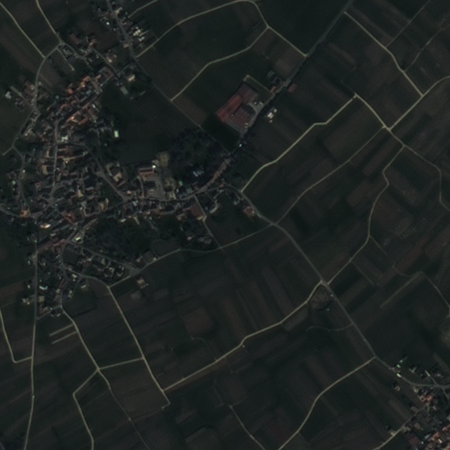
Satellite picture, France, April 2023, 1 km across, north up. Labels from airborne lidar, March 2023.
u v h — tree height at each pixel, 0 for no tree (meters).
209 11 0
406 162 0
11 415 0
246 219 0
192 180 10
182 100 0
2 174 0
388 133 0
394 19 0
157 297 0
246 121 0
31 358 0
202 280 0
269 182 0
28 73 0
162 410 0
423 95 0
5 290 0
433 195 0
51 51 0
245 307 0
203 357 0
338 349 0
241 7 0
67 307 0
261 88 0
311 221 0
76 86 0
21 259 0
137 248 0
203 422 0
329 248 0
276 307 0
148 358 0
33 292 0
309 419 0
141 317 0
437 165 0
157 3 0
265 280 0
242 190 0
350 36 0
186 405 0
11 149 0
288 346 0
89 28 0
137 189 0
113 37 0
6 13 0
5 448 7
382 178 0
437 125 0
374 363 0
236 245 0
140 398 0
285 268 0
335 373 0
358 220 0
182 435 0
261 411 0
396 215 0
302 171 0
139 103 0
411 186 0
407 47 0
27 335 0
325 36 0
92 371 0
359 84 0
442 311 0
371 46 0
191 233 14
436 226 0
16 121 0
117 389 0
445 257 0
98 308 0
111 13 0
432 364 0
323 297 0
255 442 0
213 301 0
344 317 0
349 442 0
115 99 0
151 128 0
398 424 0
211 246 0
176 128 0
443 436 0
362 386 0
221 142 0
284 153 0
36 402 0
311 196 0
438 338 0
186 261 0
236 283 0
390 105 0
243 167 0
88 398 0
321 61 0
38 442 0
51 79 0
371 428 0
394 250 0
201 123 0
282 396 0
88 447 0
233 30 0
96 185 0
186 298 0
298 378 0
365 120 0
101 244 18
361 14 0
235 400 0
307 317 0
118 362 0
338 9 0
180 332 0
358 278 0
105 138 0
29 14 0
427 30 0
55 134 0
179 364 0
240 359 0
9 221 0
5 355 0
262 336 0
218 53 0
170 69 0
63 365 0
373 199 0
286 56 0
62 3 0
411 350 0
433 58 0
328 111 0
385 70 0
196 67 0
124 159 0
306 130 0
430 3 0
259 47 0
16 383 0
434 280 0
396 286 0
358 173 0
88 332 0
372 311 0
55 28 0
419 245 0
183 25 0
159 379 0
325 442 0
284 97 0
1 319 0
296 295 0
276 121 0
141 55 0
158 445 0
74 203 10
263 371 0
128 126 0
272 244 0
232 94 0
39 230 13
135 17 0
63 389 0
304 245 0
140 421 0
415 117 0
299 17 0
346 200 0
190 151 0
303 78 0
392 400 0
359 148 0
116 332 0
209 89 0
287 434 0
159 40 0
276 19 0
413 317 0
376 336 0
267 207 0
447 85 0
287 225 0
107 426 0
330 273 0
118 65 0
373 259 0
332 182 0
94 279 0
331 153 0
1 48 0
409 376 0
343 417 0
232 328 0
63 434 0
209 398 0
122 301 0
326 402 0
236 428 0
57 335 0
